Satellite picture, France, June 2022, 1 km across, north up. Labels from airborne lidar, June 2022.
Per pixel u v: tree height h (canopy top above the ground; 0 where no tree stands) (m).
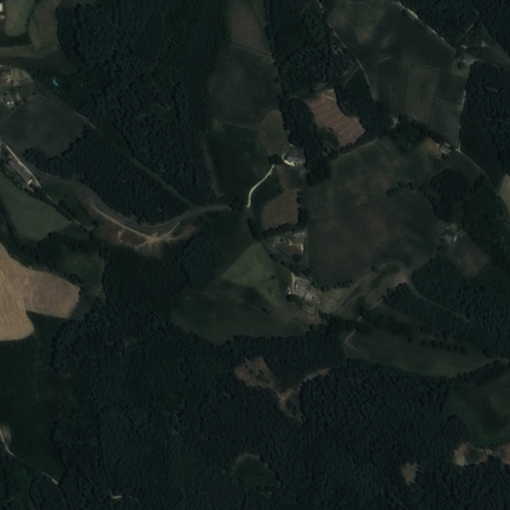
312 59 22
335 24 0
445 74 0
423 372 0
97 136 23
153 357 11
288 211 0
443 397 26
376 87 0
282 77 10
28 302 0
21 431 6
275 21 18
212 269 20
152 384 15
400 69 0
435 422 22
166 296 7
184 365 20
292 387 0
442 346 20
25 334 0
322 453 32
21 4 0
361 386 28
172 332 19
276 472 32
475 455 0
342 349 20
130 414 19
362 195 0
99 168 20
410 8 20
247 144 0
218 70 0
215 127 0
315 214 0
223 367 15
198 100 9
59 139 0
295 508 21
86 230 11
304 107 25
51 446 6
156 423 24
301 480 20
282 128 0
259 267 0
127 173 30
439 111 0
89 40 33
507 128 33
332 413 25
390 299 10
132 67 37
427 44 0
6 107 0
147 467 23
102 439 23
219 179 0
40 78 7
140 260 7
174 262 12
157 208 21
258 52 0
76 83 9
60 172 32
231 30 0
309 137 24
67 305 0
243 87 0
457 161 0
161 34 19
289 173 0
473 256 0
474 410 0
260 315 0
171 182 21
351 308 0
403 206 0
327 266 0
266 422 35
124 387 14
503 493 33
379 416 20
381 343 0
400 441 24
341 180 0
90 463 27
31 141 0
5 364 7
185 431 25
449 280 8
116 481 22
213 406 33
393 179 0
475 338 22
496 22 26
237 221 0
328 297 0
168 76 8
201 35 11
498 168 7
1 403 6
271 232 18
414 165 0
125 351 15
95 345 6
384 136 11
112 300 18
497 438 0
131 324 32
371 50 0
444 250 12
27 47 0
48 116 0
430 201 10
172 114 6
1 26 0
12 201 0
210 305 0
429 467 28
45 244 20
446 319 17
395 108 0
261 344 28
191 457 23
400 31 0
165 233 0
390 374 24
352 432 23
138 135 27
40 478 32
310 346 19
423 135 7
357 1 0
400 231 0
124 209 18
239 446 34
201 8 9
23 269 0
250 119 0
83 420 9
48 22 0
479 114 15
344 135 0
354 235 0
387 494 23
